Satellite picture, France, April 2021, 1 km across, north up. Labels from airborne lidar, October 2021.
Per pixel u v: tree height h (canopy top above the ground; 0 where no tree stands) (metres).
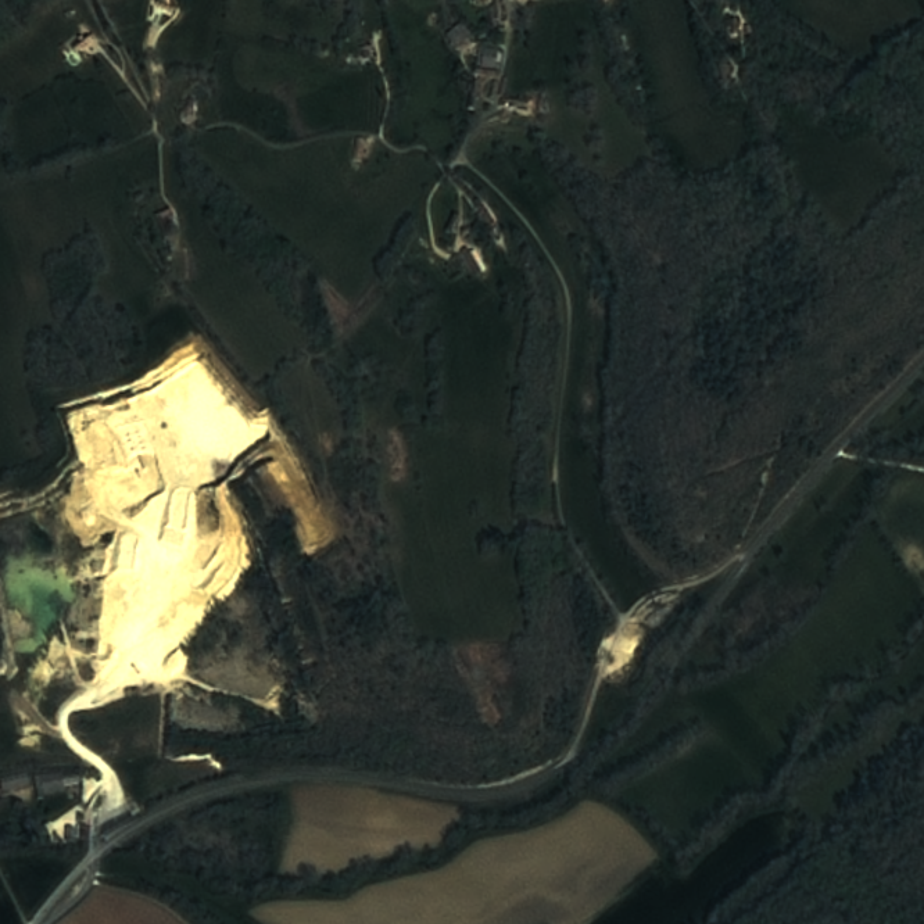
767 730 0
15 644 0
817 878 22
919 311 13
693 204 22
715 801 0
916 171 16
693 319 9
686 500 9
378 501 16
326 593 20
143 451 0
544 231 0
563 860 0
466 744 13
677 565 6
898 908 14
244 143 0
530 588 17
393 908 0
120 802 0
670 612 0
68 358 12
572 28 0
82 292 7
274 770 11
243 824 12
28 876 0
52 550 0
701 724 13
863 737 21
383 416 0
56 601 0
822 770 20
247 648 0
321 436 0
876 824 9
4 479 13
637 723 17
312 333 13
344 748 12
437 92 0
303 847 0
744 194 12
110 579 0
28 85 0
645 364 10
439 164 10
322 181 0
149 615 0
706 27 15
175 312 0
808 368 12
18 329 0
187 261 0
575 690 17
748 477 8
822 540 0
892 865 12
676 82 0
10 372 0
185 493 0
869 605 0
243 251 16
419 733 13
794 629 17
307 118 0
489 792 0
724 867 0
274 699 0
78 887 0
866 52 0
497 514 0
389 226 0
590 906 0
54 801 0
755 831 0
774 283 16
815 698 0
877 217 17
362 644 19
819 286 16
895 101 15
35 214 0
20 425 0
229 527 0
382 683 14
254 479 13
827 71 14
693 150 0
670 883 0
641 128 11
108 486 0
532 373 14
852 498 0
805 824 15
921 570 0
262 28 0
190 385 0
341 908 0
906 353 8
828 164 0
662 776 0
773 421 12
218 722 0
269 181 0
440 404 12
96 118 0
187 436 0
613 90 12
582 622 15
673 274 14
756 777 0
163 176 0
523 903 0
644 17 0
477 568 0
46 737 0
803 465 9
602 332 0
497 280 0
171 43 0
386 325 0
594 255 0
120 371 16
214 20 0
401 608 22
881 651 0
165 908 10
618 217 17
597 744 0
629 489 8
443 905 0
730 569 0
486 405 0
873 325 10
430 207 0
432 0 0
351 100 0
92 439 0
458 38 0
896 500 0
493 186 0
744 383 12
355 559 10
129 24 0
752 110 14
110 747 0
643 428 13
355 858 0
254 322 0
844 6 0
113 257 0
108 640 0
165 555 0
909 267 15
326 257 0
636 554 11
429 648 19
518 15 9
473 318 0
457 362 0
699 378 16
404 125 0
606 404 12
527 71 0
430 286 9
